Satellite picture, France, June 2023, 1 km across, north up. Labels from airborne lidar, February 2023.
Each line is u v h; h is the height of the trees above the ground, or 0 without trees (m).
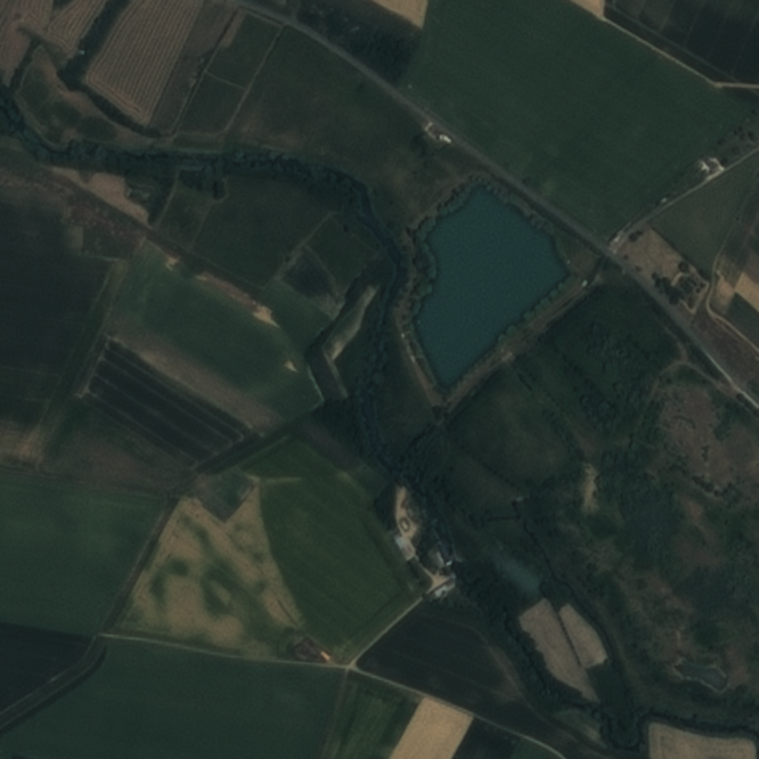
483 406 0
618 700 0
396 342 0
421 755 0
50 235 0
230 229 0
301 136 0
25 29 0
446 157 0
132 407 0
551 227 13
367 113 0
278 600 0
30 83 0
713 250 0
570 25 0
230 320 0
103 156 25
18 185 0
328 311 0
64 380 0
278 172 9
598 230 0
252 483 0
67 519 0
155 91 0
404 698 0
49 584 0
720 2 0
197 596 0
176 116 0
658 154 0
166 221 0
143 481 0
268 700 0
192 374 0
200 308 0
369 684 0
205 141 0
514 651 10
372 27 5
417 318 0
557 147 0
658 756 0
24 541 0
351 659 0
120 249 0
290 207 0
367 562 0
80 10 0
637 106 0
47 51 0
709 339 0
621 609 5
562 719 0
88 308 0
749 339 0
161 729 0
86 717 0
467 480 0
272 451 0
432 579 0
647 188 0
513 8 0
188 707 0
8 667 0
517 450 0
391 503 9
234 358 0
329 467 0
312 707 0
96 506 0
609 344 14
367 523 0
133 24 0
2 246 0
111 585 0
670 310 0
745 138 12
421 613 0
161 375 0
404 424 0
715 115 0
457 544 0
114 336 0
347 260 0
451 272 0
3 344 0
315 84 0
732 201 0
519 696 0
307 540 0
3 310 0
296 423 0
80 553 0
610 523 0
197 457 0
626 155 0
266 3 0
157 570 0
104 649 0
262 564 0
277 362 0
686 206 0
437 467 33
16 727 0
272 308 0
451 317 0
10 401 0
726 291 0
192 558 0
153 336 0
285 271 0
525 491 0
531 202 9
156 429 0
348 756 0
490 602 15
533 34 0
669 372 0
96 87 0
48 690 0
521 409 0
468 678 0
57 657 0
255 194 0
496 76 0
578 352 0
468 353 0
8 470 0
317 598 0
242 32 0
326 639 0
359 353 0
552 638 0
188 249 0
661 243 0
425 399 0
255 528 0
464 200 7
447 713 0
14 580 0
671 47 0
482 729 0
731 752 0
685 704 0
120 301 0
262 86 0
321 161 0
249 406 0
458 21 0
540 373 0
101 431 0
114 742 0
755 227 0
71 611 0
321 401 0
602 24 0
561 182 0
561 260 0
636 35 0
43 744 0
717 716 0
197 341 0
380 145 0
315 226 0
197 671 0
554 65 0
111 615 0
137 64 0
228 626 0
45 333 0
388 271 0
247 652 0
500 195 14
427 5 0
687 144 0
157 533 0
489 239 0
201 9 0
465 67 0
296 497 0
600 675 0
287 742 0
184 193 0
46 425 0
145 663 0
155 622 0
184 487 0
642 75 0
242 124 0
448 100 0
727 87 0
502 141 0
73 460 0
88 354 0
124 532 0
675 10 0
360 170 0
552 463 0
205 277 0
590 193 0
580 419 0
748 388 0
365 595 0
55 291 0
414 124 0
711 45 0
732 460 0
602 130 0
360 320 0
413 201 0
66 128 0
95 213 0
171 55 0
